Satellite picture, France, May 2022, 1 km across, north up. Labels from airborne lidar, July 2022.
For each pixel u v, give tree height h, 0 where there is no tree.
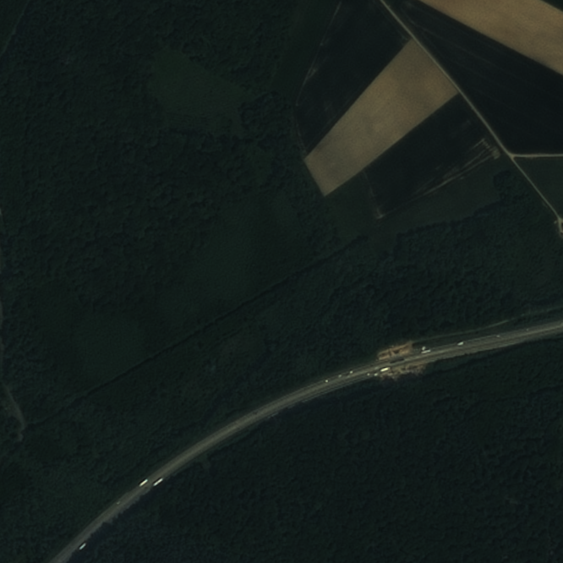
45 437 9
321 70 0
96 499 29
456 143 0
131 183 25
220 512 26
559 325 0
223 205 19
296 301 27
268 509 27
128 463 20
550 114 0
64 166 21
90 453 17
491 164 0
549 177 0
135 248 22
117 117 23
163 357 11
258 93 23
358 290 23
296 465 29
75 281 16
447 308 23
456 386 12
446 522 26
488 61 0
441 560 24
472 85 0
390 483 22
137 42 24
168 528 27
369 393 19
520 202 23
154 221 20
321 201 33
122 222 13
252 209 17
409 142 0
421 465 28
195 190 23
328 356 23
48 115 24
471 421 21
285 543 23
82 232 21
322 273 19
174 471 0
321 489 26
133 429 21
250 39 21
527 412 21
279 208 19
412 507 28
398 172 0
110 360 17
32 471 24
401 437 28
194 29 25
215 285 17
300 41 0
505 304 29
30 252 20
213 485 24
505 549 26
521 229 27
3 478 10
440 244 20
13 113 13
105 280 27
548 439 27
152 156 25
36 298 13
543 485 22
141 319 12
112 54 20
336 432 25
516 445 26
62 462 25
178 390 6
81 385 11
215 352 6
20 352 19
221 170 24
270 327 21
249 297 11
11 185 13
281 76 0
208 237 20
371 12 0
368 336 27
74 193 22
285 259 10
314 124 0
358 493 24
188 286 20
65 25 17
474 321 21
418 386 21
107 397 14
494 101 0
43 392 24
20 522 35
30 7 16
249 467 28
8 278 31
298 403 0
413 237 20
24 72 13
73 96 23
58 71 22
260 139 10
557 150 0
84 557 27
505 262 26
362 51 0
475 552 27
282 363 21
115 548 33
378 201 0
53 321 10
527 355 13
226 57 24
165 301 19
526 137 0
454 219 0
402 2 0
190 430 17
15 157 13
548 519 24
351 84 0
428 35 0
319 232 24
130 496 0
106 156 23
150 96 21
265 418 0
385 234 0
